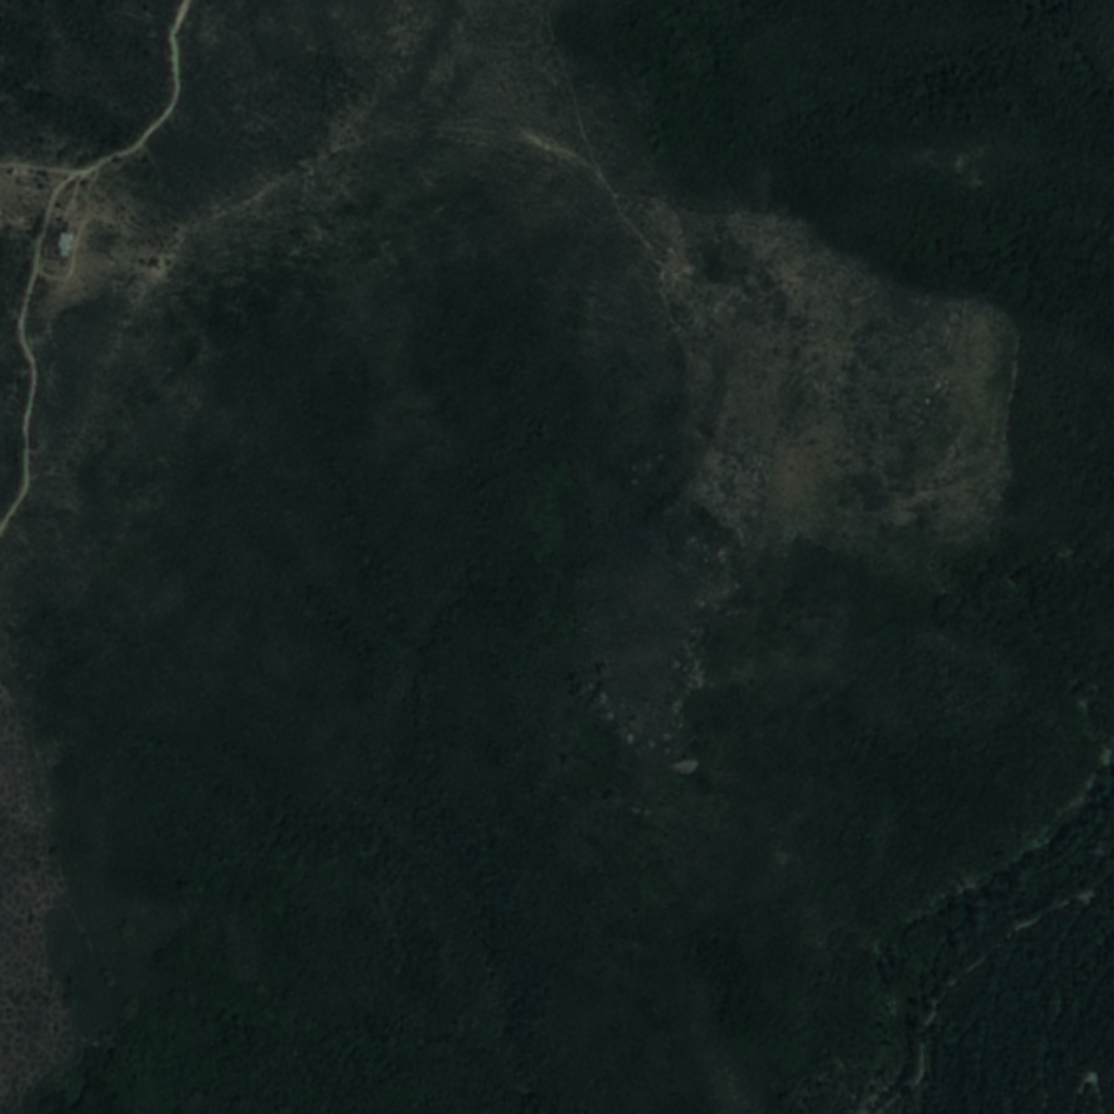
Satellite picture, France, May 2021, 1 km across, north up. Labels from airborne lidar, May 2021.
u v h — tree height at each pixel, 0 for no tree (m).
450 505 6
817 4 8
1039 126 11
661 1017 6
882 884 11
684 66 7
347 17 0
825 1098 6
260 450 6
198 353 7
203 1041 10
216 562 6
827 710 8
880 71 8
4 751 0
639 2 6
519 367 6
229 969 6
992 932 10
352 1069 14
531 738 6
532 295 7
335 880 9
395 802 12
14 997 6
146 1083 7
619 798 10
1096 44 7
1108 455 14
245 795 10
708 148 6
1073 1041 10
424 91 0
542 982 10
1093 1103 8
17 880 0
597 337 0
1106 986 7
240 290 7
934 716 6
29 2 7
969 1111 10
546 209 0
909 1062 8
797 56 8
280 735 5
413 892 11
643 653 0
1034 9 21
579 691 8
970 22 7
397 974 11
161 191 0
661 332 0
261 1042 14
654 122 11
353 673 9
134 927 10
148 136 0
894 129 9
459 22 0
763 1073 6
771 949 7
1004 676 7
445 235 6
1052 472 7
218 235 0
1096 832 6
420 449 6
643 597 0
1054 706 6
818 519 0
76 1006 13
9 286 0
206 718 6
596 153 0
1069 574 16
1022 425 6
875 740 12
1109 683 16
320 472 7
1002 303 6
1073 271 12
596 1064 7
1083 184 11
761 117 9
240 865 8
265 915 5
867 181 6
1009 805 11
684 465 0
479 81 0
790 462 0
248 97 0
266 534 6
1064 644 15
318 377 6
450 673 6
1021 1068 7
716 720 5
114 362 0
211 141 0
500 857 9
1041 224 6
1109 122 16
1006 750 15
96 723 6
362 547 9
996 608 15
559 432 6
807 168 6
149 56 7
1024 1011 9
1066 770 8
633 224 0
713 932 11
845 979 14
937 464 0
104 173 0
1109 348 11
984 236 7
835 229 6
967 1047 10
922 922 10
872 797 12
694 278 0
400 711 8
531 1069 13
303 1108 11
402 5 0
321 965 8
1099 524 10
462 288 6
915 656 7
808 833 6
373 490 6
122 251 0
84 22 8
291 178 0
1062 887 12
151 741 10
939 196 7
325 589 6
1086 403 10
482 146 0
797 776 6
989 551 7
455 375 5
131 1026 9
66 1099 17
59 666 6
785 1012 6
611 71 6
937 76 22
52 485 0
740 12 9
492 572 7
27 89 7
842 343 0
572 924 6
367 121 0
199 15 0
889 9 8
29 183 0
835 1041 8
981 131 8
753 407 0
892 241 8
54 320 0
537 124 0
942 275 5
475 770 6
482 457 12
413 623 5
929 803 16
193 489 6
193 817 6
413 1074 11
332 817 10
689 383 0
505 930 9
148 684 6
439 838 16
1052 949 12
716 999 7
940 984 8
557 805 5
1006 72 12
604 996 5
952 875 12
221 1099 8
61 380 0
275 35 0
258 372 7
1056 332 8
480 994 12
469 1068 7
